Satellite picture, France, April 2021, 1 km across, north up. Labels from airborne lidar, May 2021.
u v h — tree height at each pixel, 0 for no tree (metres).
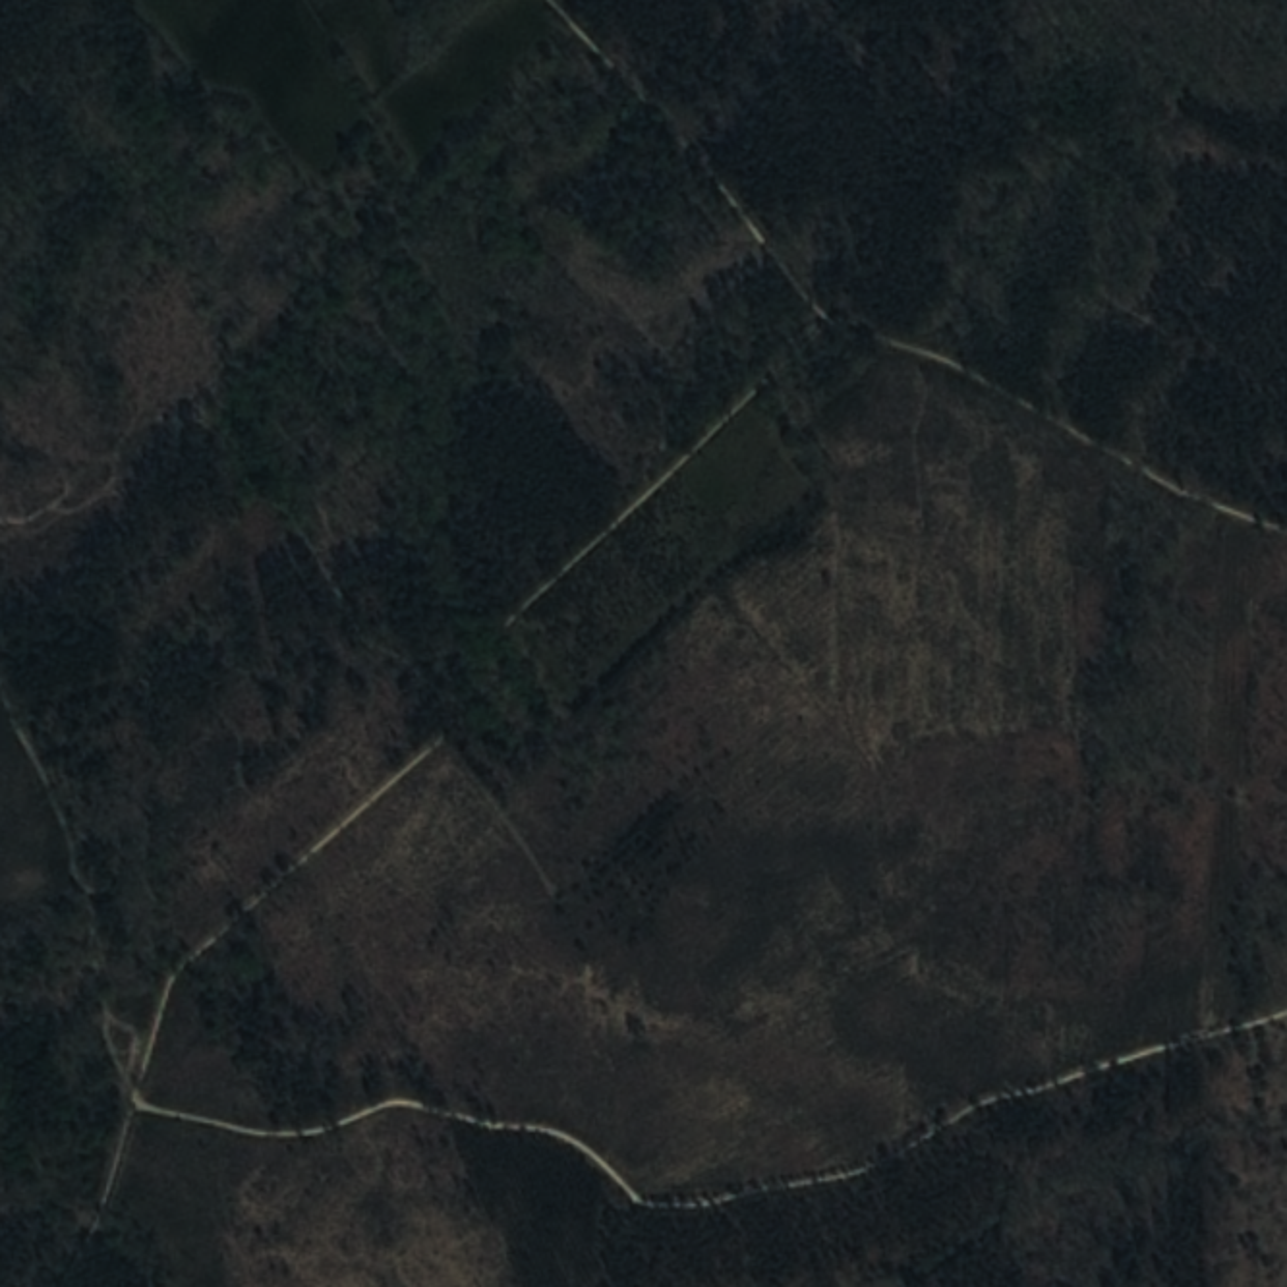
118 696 7
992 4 17
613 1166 0
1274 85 18
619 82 14
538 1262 11
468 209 26
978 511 0
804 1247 18
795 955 0
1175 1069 17
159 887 15
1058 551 0
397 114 0
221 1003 16
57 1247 20
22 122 21
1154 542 12
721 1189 0
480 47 0
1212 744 0
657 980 0
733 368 17
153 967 10
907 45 17
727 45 7
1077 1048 0
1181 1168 20
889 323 21
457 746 14
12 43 26
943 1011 0
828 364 14
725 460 0
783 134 23
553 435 24
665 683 0
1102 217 16
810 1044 0
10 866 0
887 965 0
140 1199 0
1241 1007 8
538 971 0
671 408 20
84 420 0
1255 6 20
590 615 6
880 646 0
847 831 0
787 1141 0
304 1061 12
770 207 21
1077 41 16
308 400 18
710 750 12
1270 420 17
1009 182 14
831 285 19
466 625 24
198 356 0
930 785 0
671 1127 0
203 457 24
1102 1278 10
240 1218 0
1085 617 0
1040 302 23
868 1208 15
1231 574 0
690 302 0
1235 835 0
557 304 8
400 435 18
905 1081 0
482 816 0
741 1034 0
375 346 19
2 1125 18
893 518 0
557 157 14
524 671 15
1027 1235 9
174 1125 0
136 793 6
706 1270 20
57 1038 18
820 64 23
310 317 22
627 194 31
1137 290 19
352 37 0
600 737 14
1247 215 15
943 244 21
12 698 14
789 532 9
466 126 0
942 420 0
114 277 12
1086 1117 15
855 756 0
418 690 20
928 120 20
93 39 18
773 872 0
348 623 15
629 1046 0
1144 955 0
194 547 22
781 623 0
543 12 8
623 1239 16
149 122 19
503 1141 10
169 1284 11
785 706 0
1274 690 0
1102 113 23
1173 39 15
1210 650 16
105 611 21
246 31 0
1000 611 0
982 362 21
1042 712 0
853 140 22
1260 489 16
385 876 0
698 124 6
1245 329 19
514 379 13
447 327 18
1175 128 9
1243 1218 0
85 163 22
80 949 13
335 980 0
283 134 0
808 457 13
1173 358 21
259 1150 0
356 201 20
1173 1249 9
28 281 18
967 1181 17
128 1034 0
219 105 13
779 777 0
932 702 0
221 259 21
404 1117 0
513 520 20
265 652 20
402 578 31
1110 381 21
